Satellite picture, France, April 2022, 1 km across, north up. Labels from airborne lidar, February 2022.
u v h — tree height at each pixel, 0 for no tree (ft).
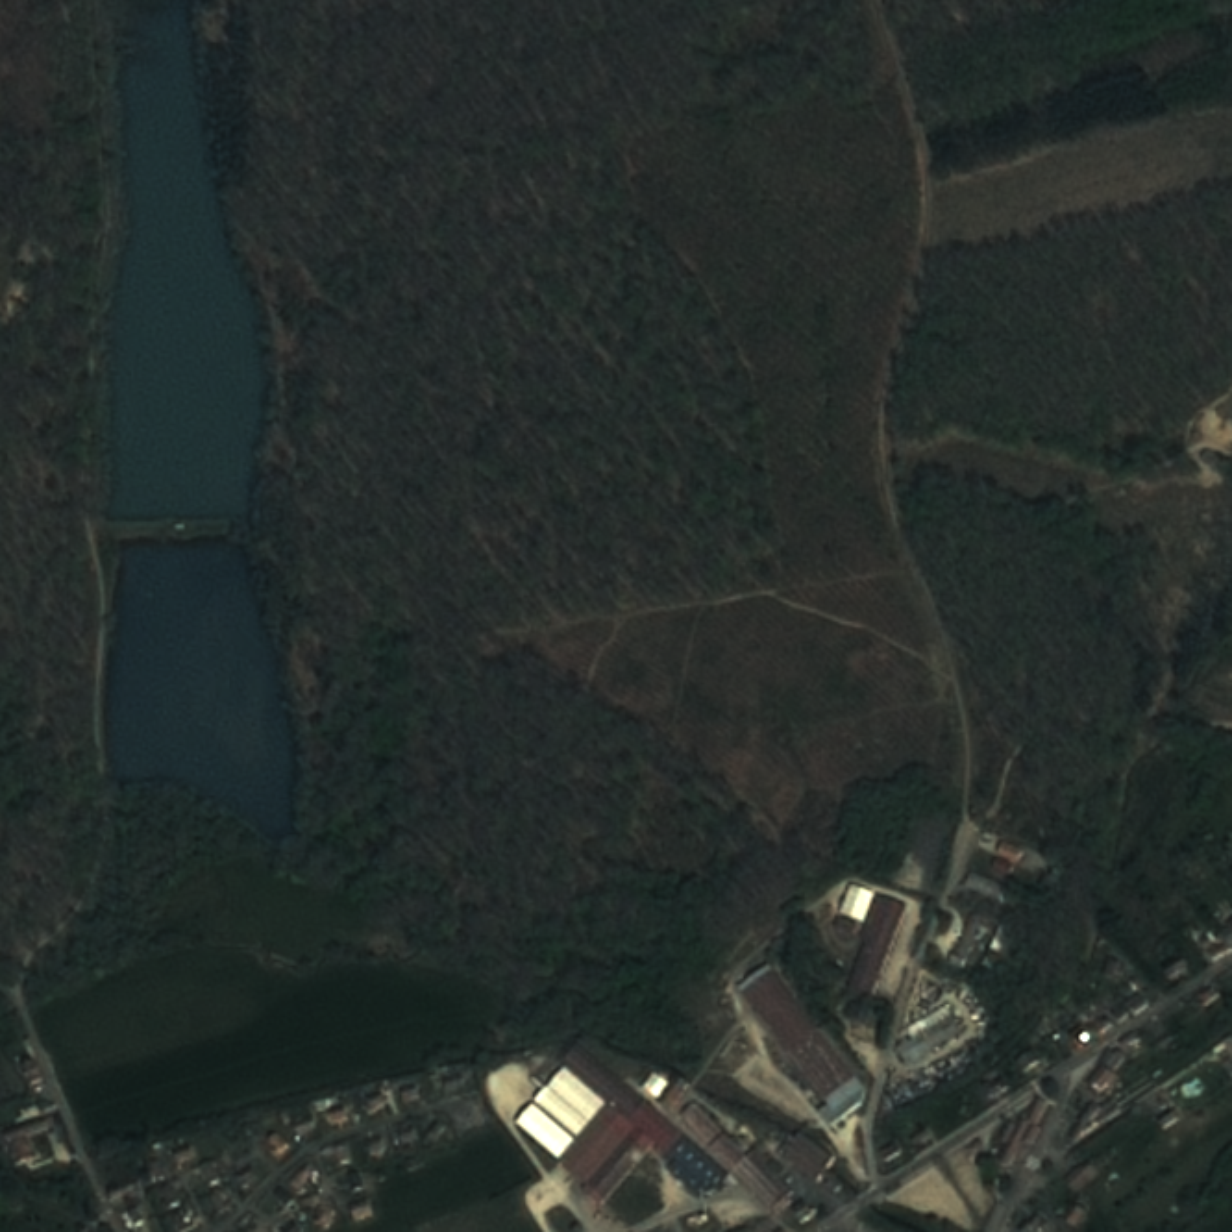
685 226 46
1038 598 89
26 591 86
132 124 0
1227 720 0
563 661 0
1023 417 101
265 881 0
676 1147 0
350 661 85
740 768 0
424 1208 0
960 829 0
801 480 40
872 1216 0
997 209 0
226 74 51
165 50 0
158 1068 0
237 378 0
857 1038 0
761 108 73
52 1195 23
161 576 0
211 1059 0
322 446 81
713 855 37
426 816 97
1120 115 73
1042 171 0
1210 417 0
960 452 0
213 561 0
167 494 0
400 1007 0
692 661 0
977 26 94
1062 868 69
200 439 0
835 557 33
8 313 0
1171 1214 0
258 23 71
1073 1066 0
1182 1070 0
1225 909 0
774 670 0
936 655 0
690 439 90
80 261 94
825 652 0
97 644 76
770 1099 0
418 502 79
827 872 43
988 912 45
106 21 74
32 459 87
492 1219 0
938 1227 36
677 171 31
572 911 85
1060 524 92
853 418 31
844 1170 0
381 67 90
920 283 0
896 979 0
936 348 86
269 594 101
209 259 0
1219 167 0
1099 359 97
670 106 89
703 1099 0
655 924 85
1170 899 0
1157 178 0
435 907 91
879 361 31
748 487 82
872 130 34
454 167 96
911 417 91
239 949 0
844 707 0
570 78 97
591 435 99
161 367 0
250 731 0
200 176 0
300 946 0
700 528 92
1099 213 0
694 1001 0
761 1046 0
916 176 25
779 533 81
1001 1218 0
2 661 91
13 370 97
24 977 68
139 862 53
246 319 0
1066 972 90
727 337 89
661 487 38
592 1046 54
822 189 26
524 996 74
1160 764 0
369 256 88
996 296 92
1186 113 0
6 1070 0
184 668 0
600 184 96
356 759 103
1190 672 80
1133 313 98
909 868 0
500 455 87
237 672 0
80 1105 0
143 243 0
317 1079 0
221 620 0
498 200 97
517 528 106
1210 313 79
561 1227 0
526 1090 0
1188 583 0
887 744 0
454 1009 0
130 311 0
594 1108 0
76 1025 0
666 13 87
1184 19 67
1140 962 34
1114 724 105
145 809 77
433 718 89
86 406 52
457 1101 0
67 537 78
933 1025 0
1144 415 87
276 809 0
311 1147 0
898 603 0
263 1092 0
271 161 0
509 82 91
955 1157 0
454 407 0
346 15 87
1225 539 57
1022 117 57
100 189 84
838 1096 0
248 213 73
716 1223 0
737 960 0
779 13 81
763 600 0
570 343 96
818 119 32
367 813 88
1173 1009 0
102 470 57
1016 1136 0
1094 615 93
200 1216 0
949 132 46
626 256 87
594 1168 0
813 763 0
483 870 92
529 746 100
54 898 85
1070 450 93
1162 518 0
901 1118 34
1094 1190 0
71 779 83
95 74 72
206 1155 0
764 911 73
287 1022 0
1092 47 99
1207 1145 0
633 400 98
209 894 0
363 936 0
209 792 0
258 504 41
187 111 0
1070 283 94
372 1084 0
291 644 53
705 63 77
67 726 77
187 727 0
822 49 78
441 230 92
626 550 94
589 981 74
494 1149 0
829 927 0
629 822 92
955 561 99
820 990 60
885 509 29
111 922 78
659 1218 0
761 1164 0
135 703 0
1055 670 94
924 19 94
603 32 92
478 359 88
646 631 0
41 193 90
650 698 0
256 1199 0
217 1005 0
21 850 94
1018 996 58
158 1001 0
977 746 0
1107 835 95
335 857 96
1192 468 90
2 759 49
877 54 89
